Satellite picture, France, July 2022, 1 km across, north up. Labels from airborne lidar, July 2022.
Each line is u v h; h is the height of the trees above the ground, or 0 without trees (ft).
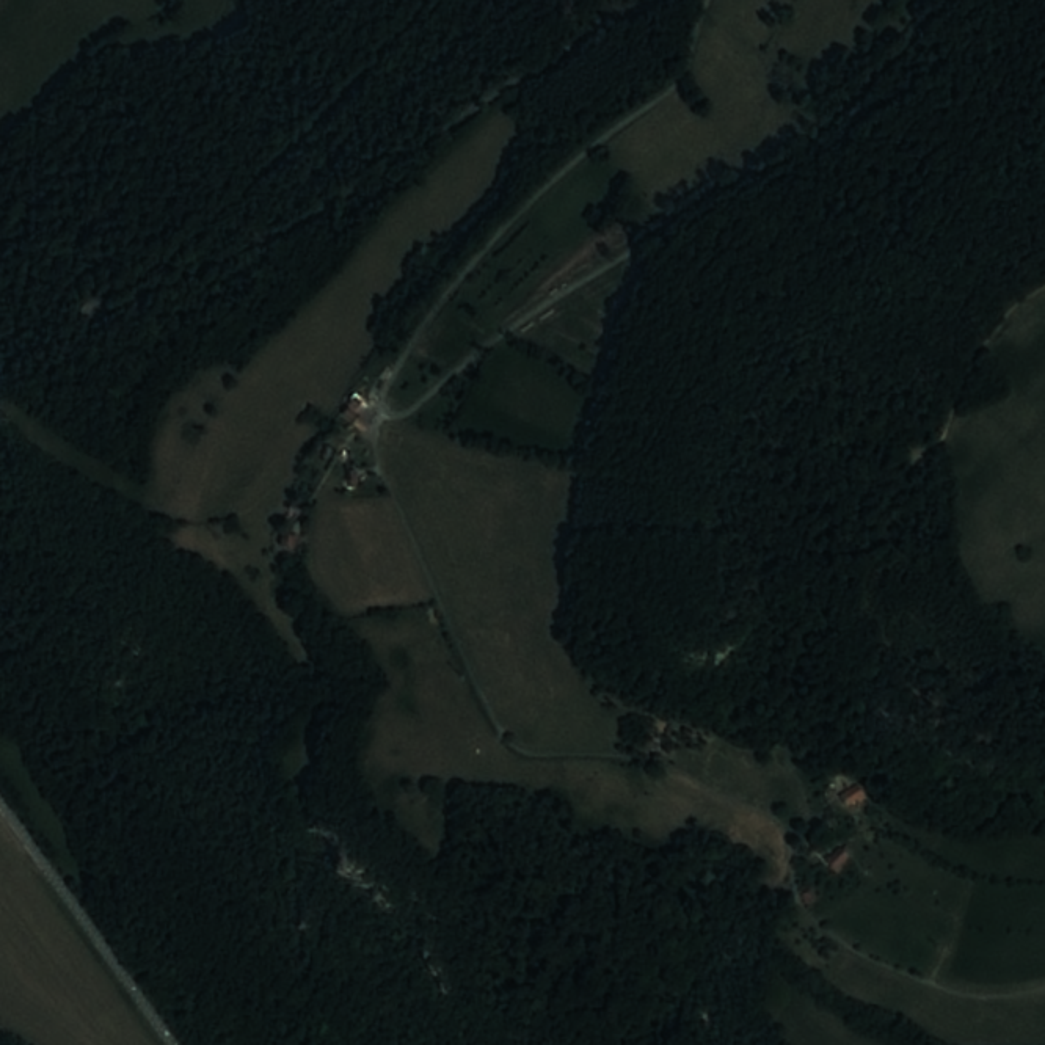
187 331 42
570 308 0
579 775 0
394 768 0
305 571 32
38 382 44
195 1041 48
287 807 65
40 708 65
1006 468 0
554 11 78
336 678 104
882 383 63
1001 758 37
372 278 0
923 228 98
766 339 64
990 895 0
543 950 104
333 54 65
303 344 0
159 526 54
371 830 42
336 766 77
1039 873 0
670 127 0
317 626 83
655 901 118
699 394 72
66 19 0
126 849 80
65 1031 0
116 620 37
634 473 83
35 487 37
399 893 35
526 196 56
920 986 0
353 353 0
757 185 100
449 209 0
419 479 0
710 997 34
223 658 61
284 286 46
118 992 0
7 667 69
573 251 0
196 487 0
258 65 52
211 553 0
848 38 0
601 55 61
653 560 71
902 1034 56
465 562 0
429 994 46
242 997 58
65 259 113
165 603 60
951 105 102
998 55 81
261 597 0
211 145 76
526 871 113
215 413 48
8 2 0
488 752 0
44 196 69
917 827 68
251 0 73
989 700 79
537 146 46
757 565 65
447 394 34
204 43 52
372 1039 65
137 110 75
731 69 0
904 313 66
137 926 83
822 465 68
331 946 62
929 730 51
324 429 17
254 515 0
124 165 87
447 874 65
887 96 46
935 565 26
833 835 45
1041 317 0
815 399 67
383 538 0
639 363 108
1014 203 53
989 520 0
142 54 66
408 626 0
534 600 0
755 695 114
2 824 0
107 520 61
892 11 51
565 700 0
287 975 71
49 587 76
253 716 82
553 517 0
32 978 0
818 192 101
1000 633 28
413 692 0
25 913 0
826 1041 0
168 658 63
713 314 100
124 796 87
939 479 53
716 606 55
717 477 35
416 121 61
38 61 0
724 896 80
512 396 0
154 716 94
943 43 83
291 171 70
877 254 99
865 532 89
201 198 82
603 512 62
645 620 68
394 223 0
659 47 86
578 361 0
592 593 86
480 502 0
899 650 21
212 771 49
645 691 77
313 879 46
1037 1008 0
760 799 0
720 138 0
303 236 38
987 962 0
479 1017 42
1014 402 0
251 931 70
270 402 0
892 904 0
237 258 59
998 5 96
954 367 70
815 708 108
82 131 72
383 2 79
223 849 55
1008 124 97
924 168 107
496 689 0
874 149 86
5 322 94
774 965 65
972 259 60
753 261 92
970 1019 0
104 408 80
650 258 99
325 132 52
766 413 59
